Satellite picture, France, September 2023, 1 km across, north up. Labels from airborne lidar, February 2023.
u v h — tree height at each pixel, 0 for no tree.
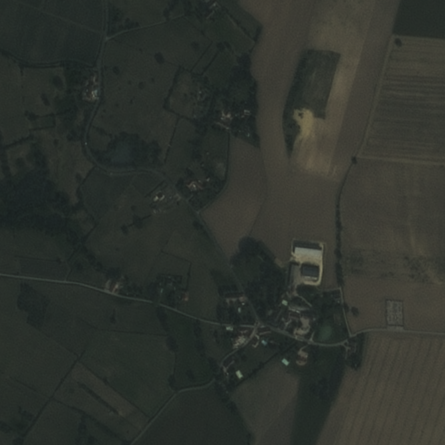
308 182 0
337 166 0
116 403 0
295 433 0
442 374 0
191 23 0
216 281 0
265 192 0
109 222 0
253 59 0
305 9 0
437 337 0
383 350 0
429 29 0
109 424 0
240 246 13
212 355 0
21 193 25
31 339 0
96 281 0
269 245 0
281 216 0
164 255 0
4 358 0
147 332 0
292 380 0
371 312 0
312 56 0
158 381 0
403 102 0
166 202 0
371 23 0
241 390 0
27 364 0
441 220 0
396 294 0
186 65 0
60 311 0
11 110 0
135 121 0
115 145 19
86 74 0
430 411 0
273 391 0
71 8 0
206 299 0
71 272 0
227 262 0
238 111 6
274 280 25
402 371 0
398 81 0
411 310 0
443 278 0
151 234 0
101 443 0
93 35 0
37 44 0
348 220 0
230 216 0
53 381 0
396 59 0
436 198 0
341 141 0
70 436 0
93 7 0
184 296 0
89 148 0
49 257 0
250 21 0
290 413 0
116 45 0
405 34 0
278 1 0
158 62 11
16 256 0
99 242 0
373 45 0
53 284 0
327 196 0
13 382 0
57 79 11
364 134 0
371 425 0
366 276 0
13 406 0
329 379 0
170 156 0
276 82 0
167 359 0
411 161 0
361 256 0
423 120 0
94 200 0
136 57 0
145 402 0
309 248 0
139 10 0
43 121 0
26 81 0
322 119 0
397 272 0
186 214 0
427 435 0
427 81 0
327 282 0
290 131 0
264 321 15
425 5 0
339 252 10
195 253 0
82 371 0
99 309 0
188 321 0
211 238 0
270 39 0
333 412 0
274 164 0
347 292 0
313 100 0
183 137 0
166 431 0
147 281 0
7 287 0
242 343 0
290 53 0
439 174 0
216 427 0
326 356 0
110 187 0
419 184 0
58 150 0
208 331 0
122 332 0
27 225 23
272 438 0
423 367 0
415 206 0
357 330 0
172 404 0
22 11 0
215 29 0
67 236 13
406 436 0
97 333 0
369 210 0
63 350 0
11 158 0
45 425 0
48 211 0
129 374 0
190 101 0
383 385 0
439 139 0
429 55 0
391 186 0
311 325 12
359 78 0
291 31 0
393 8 0
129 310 0
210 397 0
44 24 0
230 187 0
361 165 0
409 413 0
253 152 0
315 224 0
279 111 0
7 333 0
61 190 0
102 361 0
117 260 0
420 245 0
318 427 0
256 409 0
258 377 0
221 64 0
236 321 11
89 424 0
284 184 0
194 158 17
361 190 0
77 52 0
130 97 0
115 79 0
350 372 0
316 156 0
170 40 0
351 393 0
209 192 7
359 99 0
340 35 0
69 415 0
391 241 0
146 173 0
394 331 0
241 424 0
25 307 10
